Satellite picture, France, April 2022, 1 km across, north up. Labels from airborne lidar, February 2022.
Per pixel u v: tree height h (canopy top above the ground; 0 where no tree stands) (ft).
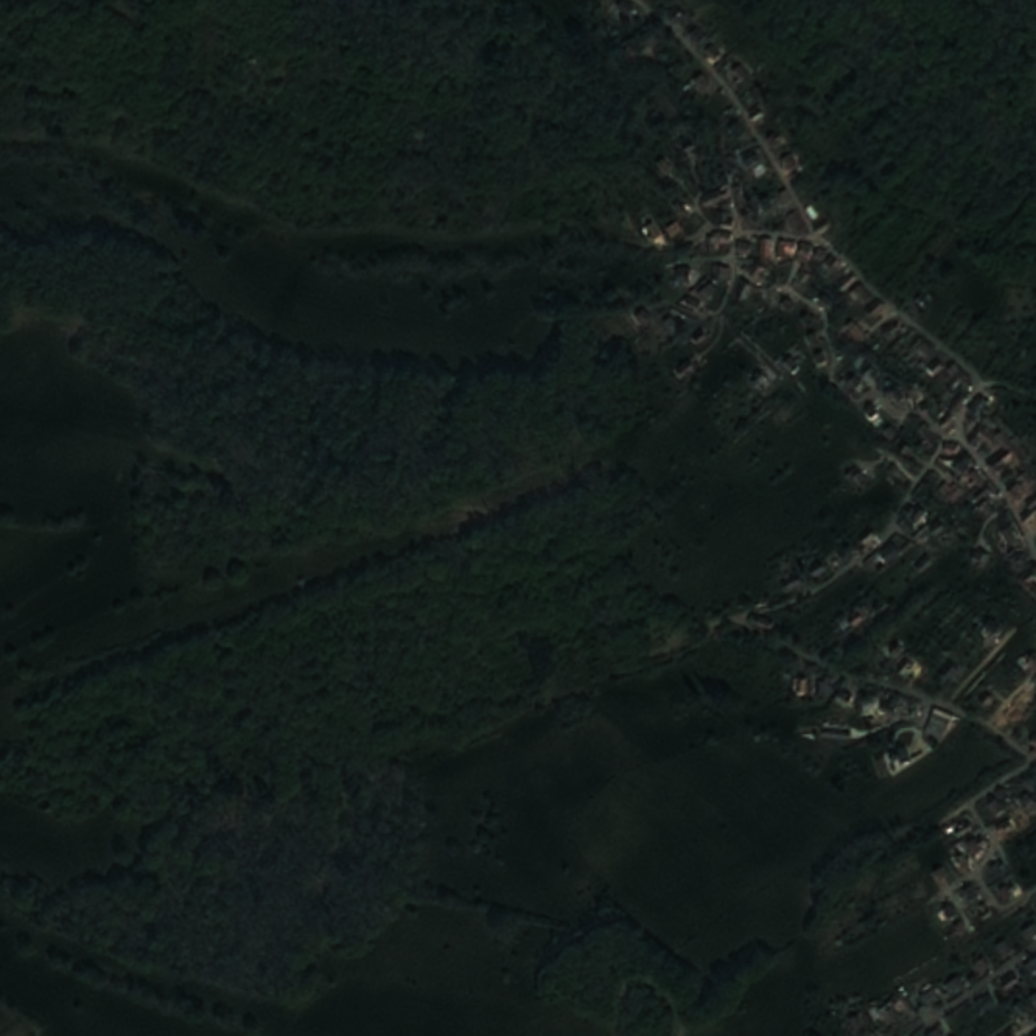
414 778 51
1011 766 24
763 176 0
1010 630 0
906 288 37
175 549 44
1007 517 28
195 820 21
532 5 82
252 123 52
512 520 68
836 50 85
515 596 75
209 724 80
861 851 75
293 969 89
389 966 0
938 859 0
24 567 0
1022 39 88
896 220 35
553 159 60
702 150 25
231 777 48
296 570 0
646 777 0
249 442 89
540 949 0
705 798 0
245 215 0
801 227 0
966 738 0
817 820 0
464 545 54
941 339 28
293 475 78
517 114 79
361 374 82
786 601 27
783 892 0
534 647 49
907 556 0
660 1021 63
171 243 0
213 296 0
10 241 66
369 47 71
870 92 65
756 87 22
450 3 65
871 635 39
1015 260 56
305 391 83
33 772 33
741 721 0
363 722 51
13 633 0
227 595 0
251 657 50
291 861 87
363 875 98
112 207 45
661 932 0
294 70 51
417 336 0
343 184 52
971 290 0
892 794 0
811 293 0
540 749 0
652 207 0
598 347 85
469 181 70
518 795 0
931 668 0
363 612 64
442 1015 0
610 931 86
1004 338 0
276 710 47
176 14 55
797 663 36
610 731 0
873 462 0
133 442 0
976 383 0
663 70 61
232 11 76
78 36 66
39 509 0
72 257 97
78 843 0
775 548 0
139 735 24
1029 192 52
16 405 0
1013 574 43
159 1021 0
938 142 67
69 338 0
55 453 0
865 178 68
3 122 56
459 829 0
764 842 0
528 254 33
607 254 72
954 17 81
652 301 48
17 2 32
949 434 0
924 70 66
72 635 0
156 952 73
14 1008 44
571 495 76
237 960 86
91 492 0
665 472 0
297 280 0
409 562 60
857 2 71
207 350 94
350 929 95
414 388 97
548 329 0
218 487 74
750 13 64
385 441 98
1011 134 59
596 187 53
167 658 75
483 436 81
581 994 67
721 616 37
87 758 90
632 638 64
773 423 0
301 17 81
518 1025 0
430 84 62
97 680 73
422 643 72
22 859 0
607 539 73
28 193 0
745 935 0
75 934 42
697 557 0
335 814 86
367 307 0
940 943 0
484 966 0
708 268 0
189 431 79
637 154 72
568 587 68
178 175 33
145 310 80
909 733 0
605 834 0
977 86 54
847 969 0
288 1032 0
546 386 86
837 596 0
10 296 89
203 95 48
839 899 64
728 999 78
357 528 84
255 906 98
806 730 0
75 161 52
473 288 0
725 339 0
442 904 31
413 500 82
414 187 58
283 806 62
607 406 58
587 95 84
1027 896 0
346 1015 0
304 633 66
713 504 0
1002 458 0
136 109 69
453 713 46
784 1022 0
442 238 0
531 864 0
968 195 51
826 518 36
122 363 45
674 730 0
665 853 0
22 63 20
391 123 46
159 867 54
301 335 0
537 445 78
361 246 0
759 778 0
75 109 46
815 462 0
